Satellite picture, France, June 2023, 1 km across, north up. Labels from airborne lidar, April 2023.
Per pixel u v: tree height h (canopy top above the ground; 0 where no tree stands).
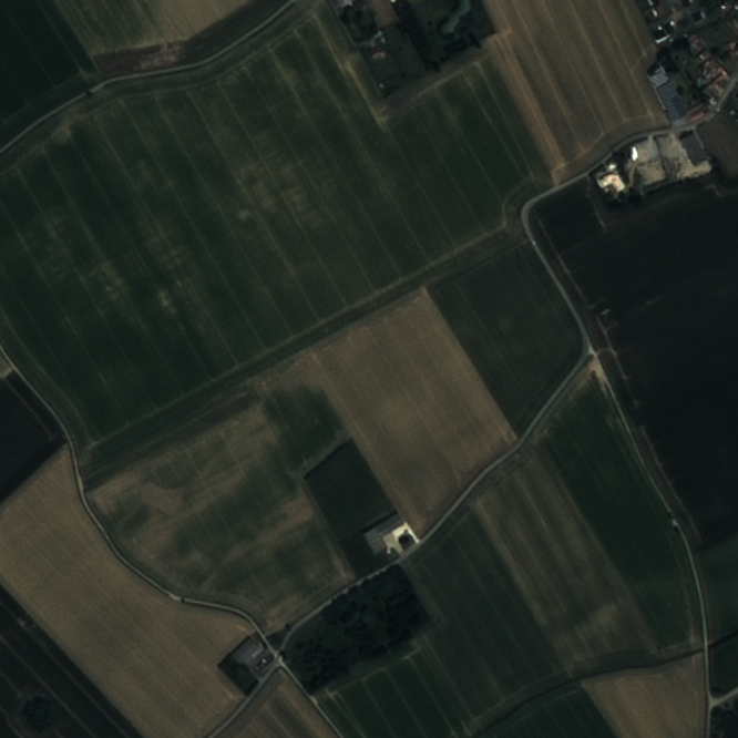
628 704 0
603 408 0
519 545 0
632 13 0
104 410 0
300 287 0
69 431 0
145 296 0
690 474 0
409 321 0
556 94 0
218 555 0
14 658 0
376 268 0
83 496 0
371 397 0
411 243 0
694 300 0
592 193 0
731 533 0
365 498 0
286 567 0
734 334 0
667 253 0
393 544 0
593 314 0
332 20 0
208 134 0
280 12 0
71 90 0
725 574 0
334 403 0
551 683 0
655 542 0
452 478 0
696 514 0
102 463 0
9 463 0
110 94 0
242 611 0
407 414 0
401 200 0
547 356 0
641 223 0
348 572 0
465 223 0
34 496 0
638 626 0
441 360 0
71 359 0
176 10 0
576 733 0
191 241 0
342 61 0
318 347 0
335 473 0
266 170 0
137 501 0
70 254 0
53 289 0
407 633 11
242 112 0
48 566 0
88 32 0
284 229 0
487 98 0
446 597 0
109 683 0
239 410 0
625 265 0
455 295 0
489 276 0
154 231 0
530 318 0
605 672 0
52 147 0
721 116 0
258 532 0
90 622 0
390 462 0
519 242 0
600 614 0
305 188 0
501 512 0
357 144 0
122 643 0
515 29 0
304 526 0
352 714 0
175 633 0
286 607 0
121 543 0
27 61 0
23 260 0
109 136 0
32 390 0
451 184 0
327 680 17
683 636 0
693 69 0
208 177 0
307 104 0
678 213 0
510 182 0
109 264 0
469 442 0
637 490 0
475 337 0
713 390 0
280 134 0
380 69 0
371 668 0
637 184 0
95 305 0
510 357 0
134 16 0
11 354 0
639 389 0
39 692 0
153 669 0
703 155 0
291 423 0
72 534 0
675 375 0
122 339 0
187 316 0
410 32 23
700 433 0
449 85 0
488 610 0
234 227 0
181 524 0
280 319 0
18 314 0
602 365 0
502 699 0
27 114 0
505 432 0
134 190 0
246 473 0
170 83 0
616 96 0
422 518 0
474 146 0
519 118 0
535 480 0
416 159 0
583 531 0
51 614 0
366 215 0
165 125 0
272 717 0
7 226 0
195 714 0
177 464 0
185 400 0
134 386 0
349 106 0
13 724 0
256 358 0
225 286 0
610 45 0
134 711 0
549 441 0
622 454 0
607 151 0
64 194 0
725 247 0
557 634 0
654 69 8
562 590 0
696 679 0
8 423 0
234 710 0
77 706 0
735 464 0
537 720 0
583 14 0
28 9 0
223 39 0
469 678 0
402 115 0
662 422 0
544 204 0
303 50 0
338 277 0
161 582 0
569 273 0
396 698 0
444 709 0
